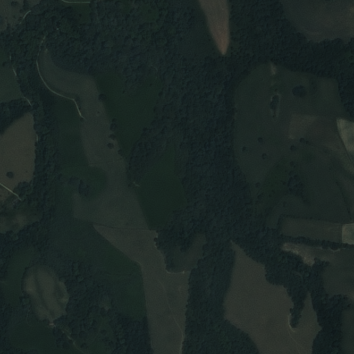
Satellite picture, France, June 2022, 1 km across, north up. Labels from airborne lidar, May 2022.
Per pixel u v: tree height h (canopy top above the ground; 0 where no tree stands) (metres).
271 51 10
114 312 17
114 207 0
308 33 0
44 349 0
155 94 0
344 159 0
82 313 19
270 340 0
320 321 18
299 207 0
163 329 0
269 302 0
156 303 0
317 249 0
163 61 21
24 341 0
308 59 16
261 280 0
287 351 0
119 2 13
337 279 0
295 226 0
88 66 13
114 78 0
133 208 0
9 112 21
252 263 0
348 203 0
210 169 26
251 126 0
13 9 0
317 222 0
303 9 0
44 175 8
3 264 10
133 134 0
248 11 18
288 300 0
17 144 0
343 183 0
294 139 0
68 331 0
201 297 17
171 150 0
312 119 0
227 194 18
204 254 12
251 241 13
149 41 15
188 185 7
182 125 15
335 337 29
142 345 16
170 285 0
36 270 0
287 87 0
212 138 12
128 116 0
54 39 25
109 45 21
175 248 10
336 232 0
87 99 0
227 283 11
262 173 0
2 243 24
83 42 16
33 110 16
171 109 16
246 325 0
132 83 20
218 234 15
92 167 0
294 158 0
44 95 14
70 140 0
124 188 0
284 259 26
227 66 7
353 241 0
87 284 23
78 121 0
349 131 0
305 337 0
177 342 0
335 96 0
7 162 0
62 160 0
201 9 0
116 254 0
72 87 0
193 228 18
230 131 8
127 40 24
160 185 0
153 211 0
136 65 20
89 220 0
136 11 15
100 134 0
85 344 12
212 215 23
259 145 0
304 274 19
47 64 0
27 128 0
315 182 0
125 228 0
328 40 6
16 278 0
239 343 8
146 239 0
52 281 0
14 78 0
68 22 19
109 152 0
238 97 0
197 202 16
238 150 0
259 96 0
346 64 16
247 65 11
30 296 6
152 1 11
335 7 0
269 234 22
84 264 9
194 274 17
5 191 0
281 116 0
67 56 21
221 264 13
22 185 13
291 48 18
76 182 22
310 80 0
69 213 0
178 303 0
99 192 0
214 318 11
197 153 28
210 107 8
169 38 19
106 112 0
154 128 12
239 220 20
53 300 0
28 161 0
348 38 0
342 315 9
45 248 10
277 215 0
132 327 12
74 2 0
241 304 0
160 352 0
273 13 14
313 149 0
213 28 0
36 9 17
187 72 22
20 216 0
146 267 0
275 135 0
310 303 0
